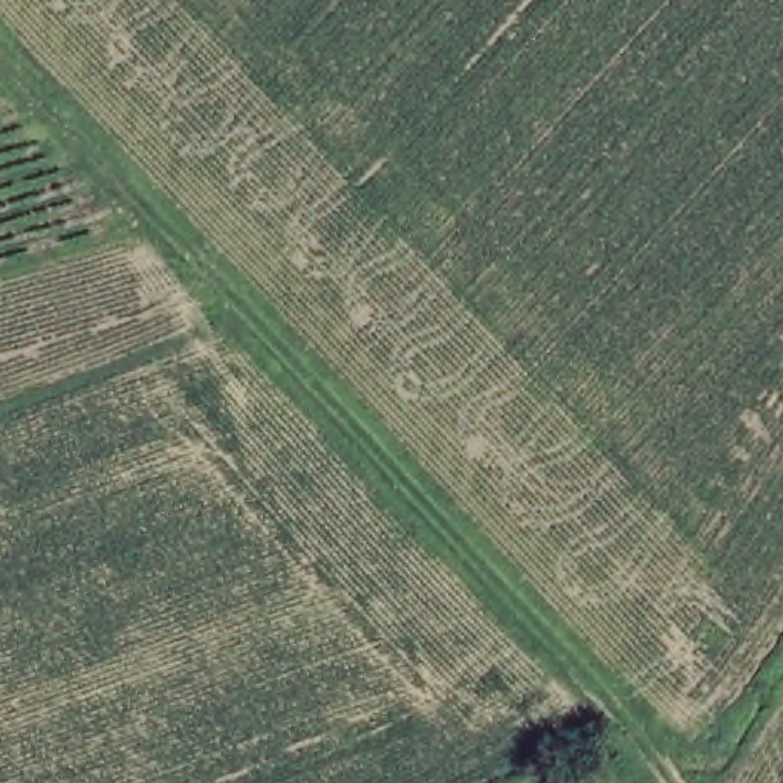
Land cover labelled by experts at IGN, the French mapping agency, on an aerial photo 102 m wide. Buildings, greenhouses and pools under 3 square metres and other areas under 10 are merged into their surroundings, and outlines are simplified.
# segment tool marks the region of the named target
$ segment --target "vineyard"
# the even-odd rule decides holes
[[[15,101],[0,98],[0,260],[18,257],[24,251],[40,254],[55,248],[58,242],[80,242],[80,251],[86,251],[89,226],[110,217],[104,208],[92,202],[86,180],[49,184],[49,190],[43,190],[40,196],[34,190],[21,193],[21,180],[55,177],[58,165],[55,156],[46,156],[43,150],[46,141],[24,138],[24,132],[18,128]]]

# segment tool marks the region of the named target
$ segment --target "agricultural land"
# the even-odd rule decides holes
[[[520,728],[535,725],[547,716],[566,716],[575,707],[569,688],[557,682],[541,661],[526,655],[480,609],[480,603],[468,593],[465,581],[456,572],[450,572],[447,563],[416,547],[404,532],[398,532],[388,514],[373,508],[367,486],[349,474],[346,462],[333,450],[327,450],[327,443],[318,434],[318,425],[284,392],[272,385],[269,376],[257,370],[257,364],[245,352],[217,349],[217,333],[211,321],[205,318],[196,300],[190,300],[187,288],[168,272],[165,260],[150,245],[141,245],[135,251],[110,248],[101,254],[80,254],[49,269],[0,278],[0,783],[535,783],[535,777],[523,777],[523,768],[511,762],[511,746]]]
[[[771,713],[762,734],[752,740],[749,755],[737,765],[731,783],[783,783],[783,707]]]
[[[89,110],[92,119],[98,119],[107,132],[116,135],[125,159],[132,159],[156,190],[174,199],[177,208],[184,208],[187,220],[272,300],[278,315],[297,333],[306,336],[306,346],[327,358],[327,364],[340,370],[340,376],[355,388],[355,395],[364,395],[364,401],[382,416],[382,422],[419,459],[419,465],[456,499],[456,505],[465,514],[474,517],[474,523],[480,523],[492,544],[523,569],[523,578],[544,596],[544,603],[557,609],[560,618],[590,642],[593,655],[615,676],[624,676],[624,682],[633,685],[633,691],[642,700],[648,700],[664,722],[697,737],[697,719],[710,716],[719,703],[737,700],[743,688],[762,676],[759,667],[774,651],[783,633],[783,0],[0,0],[0,18],[18,34],[18,40],[55,76],[55,83],[67,89]]]

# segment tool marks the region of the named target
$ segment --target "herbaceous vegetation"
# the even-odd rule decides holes
[[[419,459],[382,422],[382,416],[364,401],[364,395],[355,395],[355,388],[340,376],[340,370],[327,364],[327,358],[306,346],[306,336],[297,333],[278,315],[272,300],[187,220],[184,208],[177,208],[174,199],[156,190],[132,159],[125,159],[116,135],[107,132],[98,119],[92,119],[89,110],[67,89],[55,83],[55,76],[18,40],[18,34],[0,18],[0,98],[15,101],[18,128],[24,132],[24,138],[46,141],[43,150],[46,156],[55,156],[58,165],[55,177],[21,180],[21,193],[34,190],[40,196],[43,190],[49,190],[49,184],[86,180],[92,202],[104,208],[110,217],[89,226],[86,251],[80,251],[80,242],[58,242],[55,248],[40,254],[24,251],[18,257],[0,260],[0,278],[49,269],[80,254],[101,254],[110,248],[135,251],[141,245],[150,245],[165,260],[168,272],[187,288],[190,300],[196,300],[205,318],[211,321],[217,333],[217,349],[245,352],[257,364],[257,370],[269,376],[272,385],[284,392],[318,425],[318,434],[327,443],[327,450],[333,450],[346,462],[349,474],[367,486],[373,508],[388,514],[398,532],[404,532],[416,547],[447,563],[450,572],[456,572],[465,581],[468,593],[480,603],[480,609],[526,655],[541,661],[557,682],[569,688],[575,707],[599,710],[603,719],[624,734],[624,740],[618,746],[618,759],[609,765],[609,774],[603,780],[590,774],[587,780],[572,783],[655,783],[645,765],[658,755],[670,755],[688,783],[731,783],[737,765],[749,755],[752,740],[762,734],[771,713],[783,707],[783,633],[774,651],[759,667],[762,676],[743,688],[737,700],[719,703],[710,716],[697,719],[697,737],[664,722],[648,700],[642,700],[633,691],[633,685],[624,682],[624,676],[615,676],[593,655],[590,642],[560,618],[557,609],[544,603],[544,596],[523,578],[523,569],[492,544],[480,523],[474,523],[474,517],[465,514],[456,505],[456,499],[419,465]]]

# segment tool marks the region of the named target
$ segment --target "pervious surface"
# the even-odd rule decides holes
[[[655,783],[688,783],[670,755],[658,755],[645,765]]]

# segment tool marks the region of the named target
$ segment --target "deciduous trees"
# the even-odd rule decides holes
[[[575,707],[566,716],[547,716],[535,725],[520,728],[511,746],[511,762],[523,768],[523,777],[535,777],[535,783],[572,783],[587,780],[590,774],[603,780],[609,774],[609,765],[618,759],[618,746],[624,740],[624,734],[603,719],[599,710]]]

